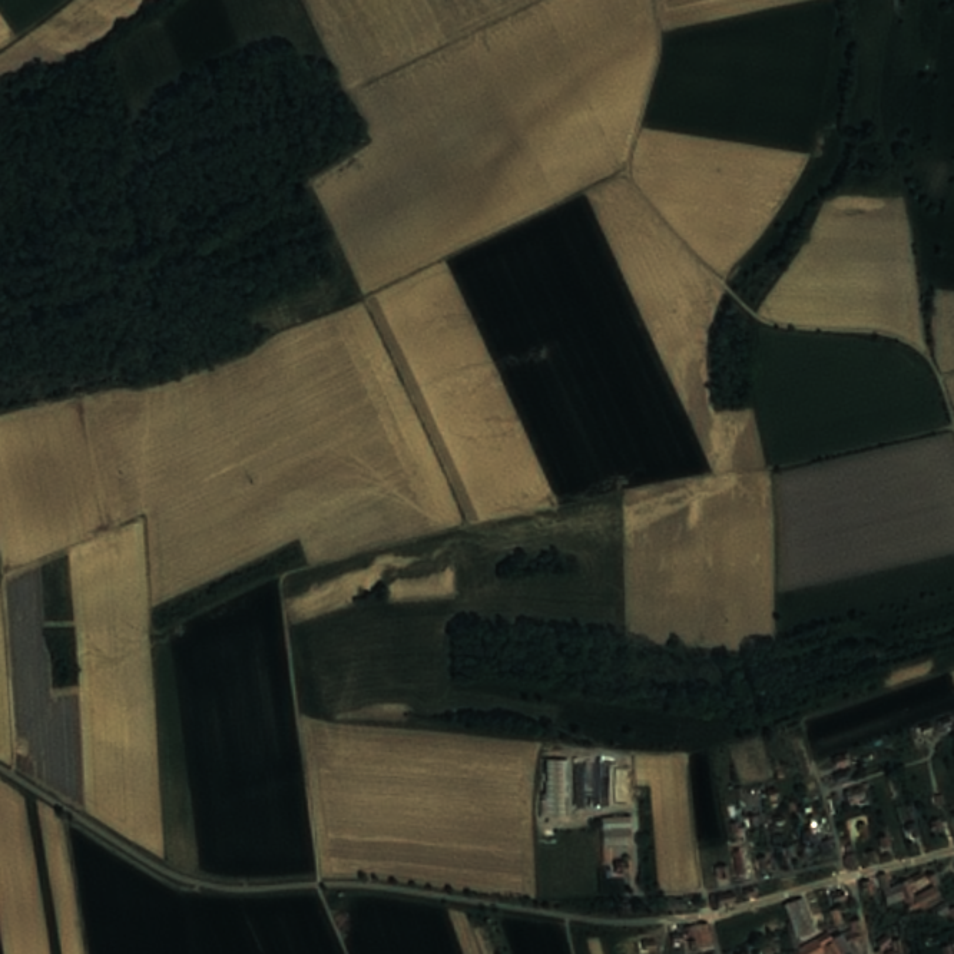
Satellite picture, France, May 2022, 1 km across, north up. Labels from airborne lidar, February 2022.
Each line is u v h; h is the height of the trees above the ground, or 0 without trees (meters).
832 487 0
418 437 0
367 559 0
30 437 0
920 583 0
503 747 0
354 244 0
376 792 0
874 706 0
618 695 19
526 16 0
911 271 0
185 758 0
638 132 0
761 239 0
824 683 15
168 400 0
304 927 0
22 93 10
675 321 0
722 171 0
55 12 0
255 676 0
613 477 0
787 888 0
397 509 0
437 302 0
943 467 0
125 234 26
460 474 0
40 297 30
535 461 0
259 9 0
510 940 0
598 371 0
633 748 0
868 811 7
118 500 0
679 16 0
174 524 0
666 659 18
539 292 0
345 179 0
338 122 25
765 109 0
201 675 0
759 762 0
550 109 0
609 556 0
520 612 0
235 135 30
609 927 0
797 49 0
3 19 0
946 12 7
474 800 0
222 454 0
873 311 0
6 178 28
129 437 0
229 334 24
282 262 23
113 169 26
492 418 0
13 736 0
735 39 0
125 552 0
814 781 0
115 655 0
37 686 0
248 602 0
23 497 0
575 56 0
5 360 21
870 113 0
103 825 0
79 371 8
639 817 0
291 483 0
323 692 0
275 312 0
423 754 0
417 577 0
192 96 24
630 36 0
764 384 0
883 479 0
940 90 0
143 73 0
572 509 0
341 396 0
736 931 0
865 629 0
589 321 0
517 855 0
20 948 0
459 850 0
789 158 0
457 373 0
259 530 0
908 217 0
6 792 0
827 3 0
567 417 0
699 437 0
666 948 0
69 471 0
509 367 0
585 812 0
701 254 0
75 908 0
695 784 0
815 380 0
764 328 0
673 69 0
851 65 8
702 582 0
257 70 23
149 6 15
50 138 26
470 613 0
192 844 0
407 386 0
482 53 0
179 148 30
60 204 22
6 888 0
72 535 0
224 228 30
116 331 11
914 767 0
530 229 0
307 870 0
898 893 0
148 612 0
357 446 0
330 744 0
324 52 0
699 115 0
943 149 0
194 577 0
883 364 0
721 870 0
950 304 0
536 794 0
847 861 0
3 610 0
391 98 0
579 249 0
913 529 0
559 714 0
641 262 0
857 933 0
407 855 0
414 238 0
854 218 0
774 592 0
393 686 0
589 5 0
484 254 0
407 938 0
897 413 0
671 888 0
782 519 0
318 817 0
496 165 0
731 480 0
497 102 0
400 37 0
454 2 0
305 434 0
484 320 0
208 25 0
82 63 19
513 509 0
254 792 0
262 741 0
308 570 0
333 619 0
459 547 0
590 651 22
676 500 0
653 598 0
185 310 30
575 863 0
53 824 0
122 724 0
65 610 0
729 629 0
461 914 0
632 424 0
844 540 0
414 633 0
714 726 0
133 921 0
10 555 0
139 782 0
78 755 0
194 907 0
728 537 0
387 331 0
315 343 0
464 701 0
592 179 0
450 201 0
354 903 0
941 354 0
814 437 0
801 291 0
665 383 0
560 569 15
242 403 0
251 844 0
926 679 0
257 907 0
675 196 0
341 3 0
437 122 0
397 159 0
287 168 12
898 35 0
